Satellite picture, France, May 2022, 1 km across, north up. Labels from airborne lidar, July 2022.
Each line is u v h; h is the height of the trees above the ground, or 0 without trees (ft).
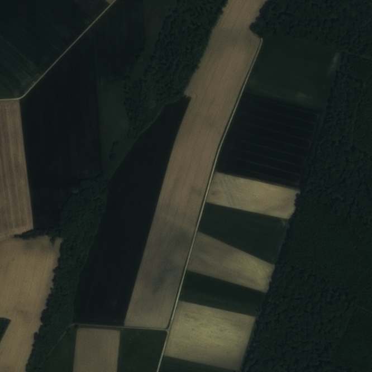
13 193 0
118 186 0
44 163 0
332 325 104
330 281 52
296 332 106
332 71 0
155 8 0
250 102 0
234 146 0
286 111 0
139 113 53
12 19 0
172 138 0
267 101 0
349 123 103
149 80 55
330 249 60
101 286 0
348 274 51
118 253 0
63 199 0
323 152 85
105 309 0
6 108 0
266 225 0
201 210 0
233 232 0
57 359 0
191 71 45
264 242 0
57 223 35
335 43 67
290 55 0
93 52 0
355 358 26
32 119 0
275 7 81
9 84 0
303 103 0
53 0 0
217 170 0
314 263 60
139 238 0
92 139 0
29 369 49
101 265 0
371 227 49
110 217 0
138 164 0
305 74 0
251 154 0
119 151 0
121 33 0
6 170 0
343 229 63
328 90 0
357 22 95
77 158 0
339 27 99
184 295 0
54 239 19
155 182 0
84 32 0
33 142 0
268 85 0
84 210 65
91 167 0
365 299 35
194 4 34
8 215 0
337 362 25
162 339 0
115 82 0
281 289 85
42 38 0
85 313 0
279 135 0
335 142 101
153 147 0
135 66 0
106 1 0
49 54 0
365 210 101
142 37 0
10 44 0
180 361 0
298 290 98
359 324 22
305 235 59
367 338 21
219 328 0
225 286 0
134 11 0
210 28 19
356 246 52
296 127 0
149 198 0
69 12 0
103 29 0
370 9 103
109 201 0
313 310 94
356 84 94
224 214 0
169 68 67
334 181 68
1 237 0
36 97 0
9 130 0
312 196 75
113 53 0
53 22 0
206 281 0
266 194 0
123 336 0
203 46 59
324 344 73
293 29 93
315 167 86
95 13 0
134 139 45
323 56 0
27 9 0
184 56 64
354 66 26
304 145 0
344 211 80
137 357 0
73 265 51
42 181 0
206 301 0
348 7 94
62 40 0
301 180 0
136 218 0
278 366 101
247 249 0
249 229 0
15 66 0
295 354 110
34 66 0
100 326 0
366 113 22
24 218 0
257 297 0
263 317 85
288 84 0
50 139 0
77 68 0
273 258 0
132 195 0
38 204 0
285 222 0
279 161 0
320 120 0
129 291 0
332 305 104
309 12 113
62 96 0
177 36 66
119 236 0
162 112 0
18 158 0
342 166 100
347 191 85
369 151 21
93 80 0
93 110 0
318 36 71
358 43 81
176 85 70
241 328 0
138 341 0
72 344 0
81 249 28
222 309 0
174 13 46
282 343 101
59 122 0
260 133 0
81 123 0
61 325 63
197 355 0
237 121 0
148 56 0
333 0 92
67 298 68
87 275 0
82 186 52
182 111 0
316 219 61
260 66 0
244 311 0
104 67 0
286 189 0
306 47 0
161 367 0
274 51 0
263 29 95
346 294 54
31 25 0
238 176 0
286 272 75
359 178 88
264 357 105
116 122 0
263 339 105
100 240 0
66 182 0
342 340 24
